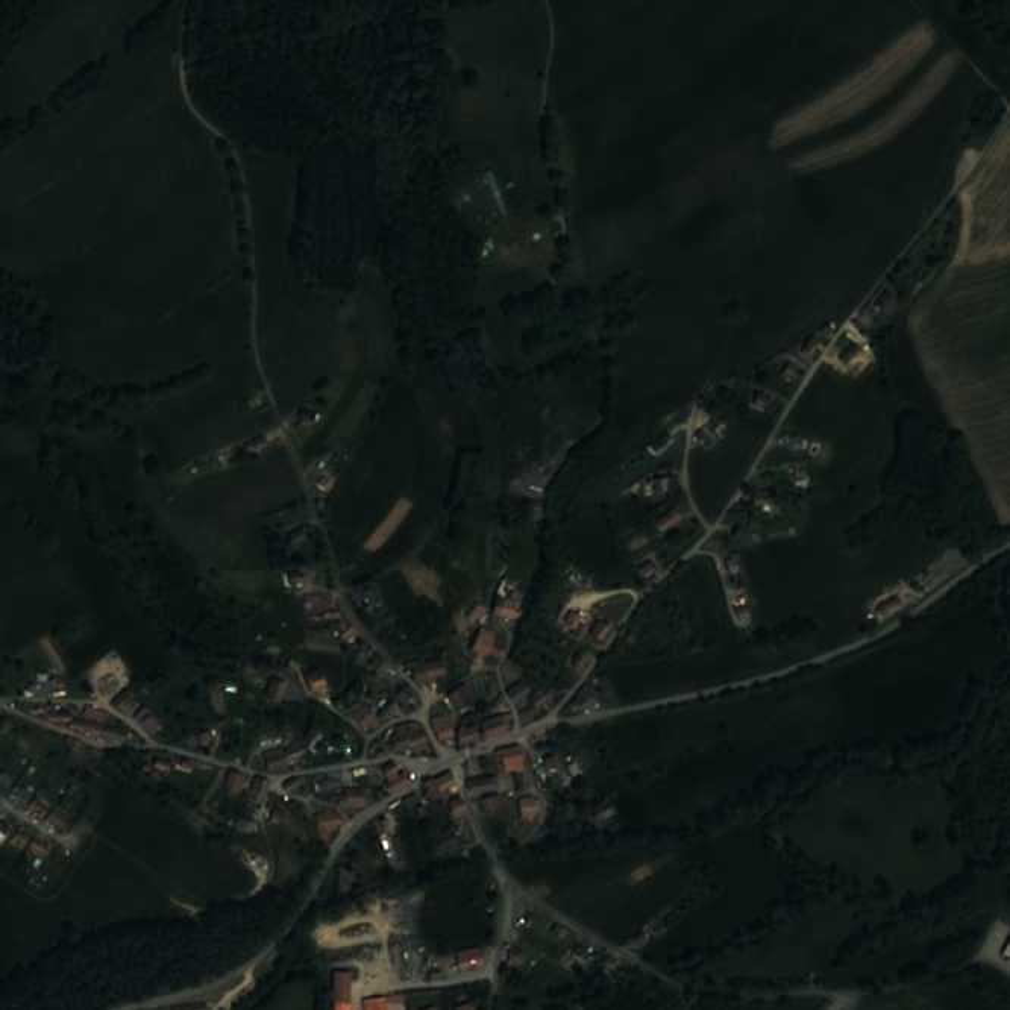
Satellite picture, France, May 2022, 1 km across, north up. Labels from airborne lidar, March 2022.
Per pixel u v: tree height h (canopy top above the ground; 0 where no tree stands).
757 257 0
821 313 0
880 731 0
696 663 0
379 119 29
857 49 0
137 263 0
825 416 0
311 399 0
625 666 0
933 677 0
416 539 0
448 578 0
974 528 18
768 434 0
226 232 0
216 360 0
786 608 0
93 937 11
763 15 0
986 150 0
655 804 0
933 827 0
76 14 0
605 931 0
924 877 0
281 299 0
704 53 0
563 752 11
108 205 0
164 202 0
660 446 0
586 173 0
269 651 0
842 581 0
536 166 0
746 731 0
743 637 0
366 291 0
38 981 26
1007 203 0
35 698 0
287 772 0
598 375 0
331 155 10
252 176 0
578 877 0
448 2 7
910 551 0
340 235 11
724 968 0
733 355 0
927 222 0
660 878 0
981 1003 0
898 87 0
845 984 0
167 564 0
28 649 0
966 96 0
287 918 18
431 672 0
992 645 0
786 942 0
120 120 0
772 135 0
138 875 0
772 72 0
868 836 0
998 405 0
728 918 0
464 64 0
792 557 0
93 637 0
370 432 0
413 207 9
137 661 0
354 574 0
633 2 0
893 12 0
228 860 0
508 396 0
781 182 0
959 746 14
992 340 0
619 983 17
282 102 18
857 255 0
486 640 0
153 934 29
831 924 0
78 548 0
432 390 0
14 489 0
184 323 0
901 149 0
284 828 0
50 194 0
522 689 0
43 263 0
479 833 0
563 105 0
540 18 0
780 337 0
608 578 0
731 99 0
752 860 0
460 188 0
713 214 0
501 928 0
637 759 0
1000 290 0
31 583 0
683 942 0
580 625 0
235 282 0
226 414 0
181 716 7
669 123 0
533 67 0
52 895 0
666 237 0
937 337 0
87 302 0
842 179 0
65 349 0
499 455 0
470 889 0
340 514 0
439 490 0
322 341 0
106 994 26
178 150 0
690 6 0
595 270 0
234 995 0
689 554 0
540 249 0
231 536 0
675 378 0
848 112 0
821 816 0
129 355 0
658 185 0
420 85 28
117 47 0
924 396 0
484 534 0
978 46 0
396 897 0
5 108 0
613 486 0
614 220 0
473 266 10
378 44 12
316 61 16
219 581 0
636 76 0
